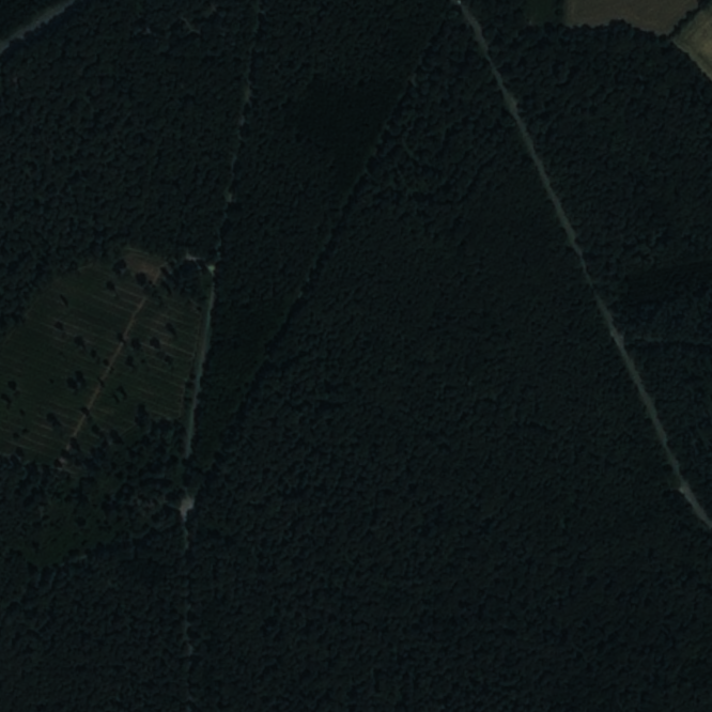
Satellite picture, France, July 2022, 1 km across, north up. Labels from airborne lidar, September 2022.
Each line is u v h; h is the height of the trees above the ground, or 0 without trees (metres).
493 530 25
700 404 22
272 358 23
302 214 21
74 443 0
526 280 26
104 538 0
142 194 26
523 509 21
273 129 22
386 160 25
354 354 21
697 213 26
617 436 21
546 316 22
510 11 27
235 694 22
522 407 21
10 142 21
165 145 22
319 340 21
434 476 25
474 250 23
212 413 18
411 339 19
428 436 22
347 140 16
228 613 26
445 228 22
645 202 26
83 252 25
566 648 24
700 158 18
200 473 27
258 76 25
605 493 19
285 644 26
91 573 25
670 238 29
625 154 29
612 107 24
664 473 21
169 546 24
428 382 22
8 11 17
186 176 21
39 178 20
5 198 20
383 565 23
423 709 25
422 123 24
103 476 31
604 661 23
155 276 0
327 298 21
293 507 25
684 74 27
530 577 23
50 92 25
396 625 25
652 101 21
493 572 24
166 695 24
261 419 25
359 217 22
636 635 25
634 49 27
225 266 22
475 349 22
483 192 23
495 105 31
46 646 24
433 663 25
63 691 19
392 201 22
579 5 0
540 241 24
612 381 19
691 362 24
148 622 26
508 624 26
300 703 27
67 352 0
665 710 22
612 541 25
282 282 20
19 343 0
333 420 22
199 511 21
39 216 28
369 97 14
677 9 0
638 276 6
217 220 22
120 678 22
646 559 28
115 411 0
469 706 24
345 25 24
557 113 24
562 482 19
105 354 0
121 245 25
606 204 23
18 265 24
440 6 22
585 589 26
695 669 17
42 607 28
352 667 23
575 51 25
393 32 21
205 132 24
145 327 0
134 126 29
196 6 20
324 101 17
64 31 25
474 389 21
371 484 27
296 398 25
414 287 20
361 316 21
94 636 22
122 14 23
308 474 25
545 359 21
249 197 20
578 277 26
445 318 20
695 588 26
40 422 0
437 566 24
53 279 28
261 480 23
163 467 26
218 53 17
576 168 23
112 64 22
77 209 21
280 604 22
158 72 24
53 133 22
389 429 28
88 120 21
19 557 18
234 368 20
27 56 21
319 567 21
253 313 18
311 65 23
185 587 24
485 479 26
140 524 27
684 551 25
